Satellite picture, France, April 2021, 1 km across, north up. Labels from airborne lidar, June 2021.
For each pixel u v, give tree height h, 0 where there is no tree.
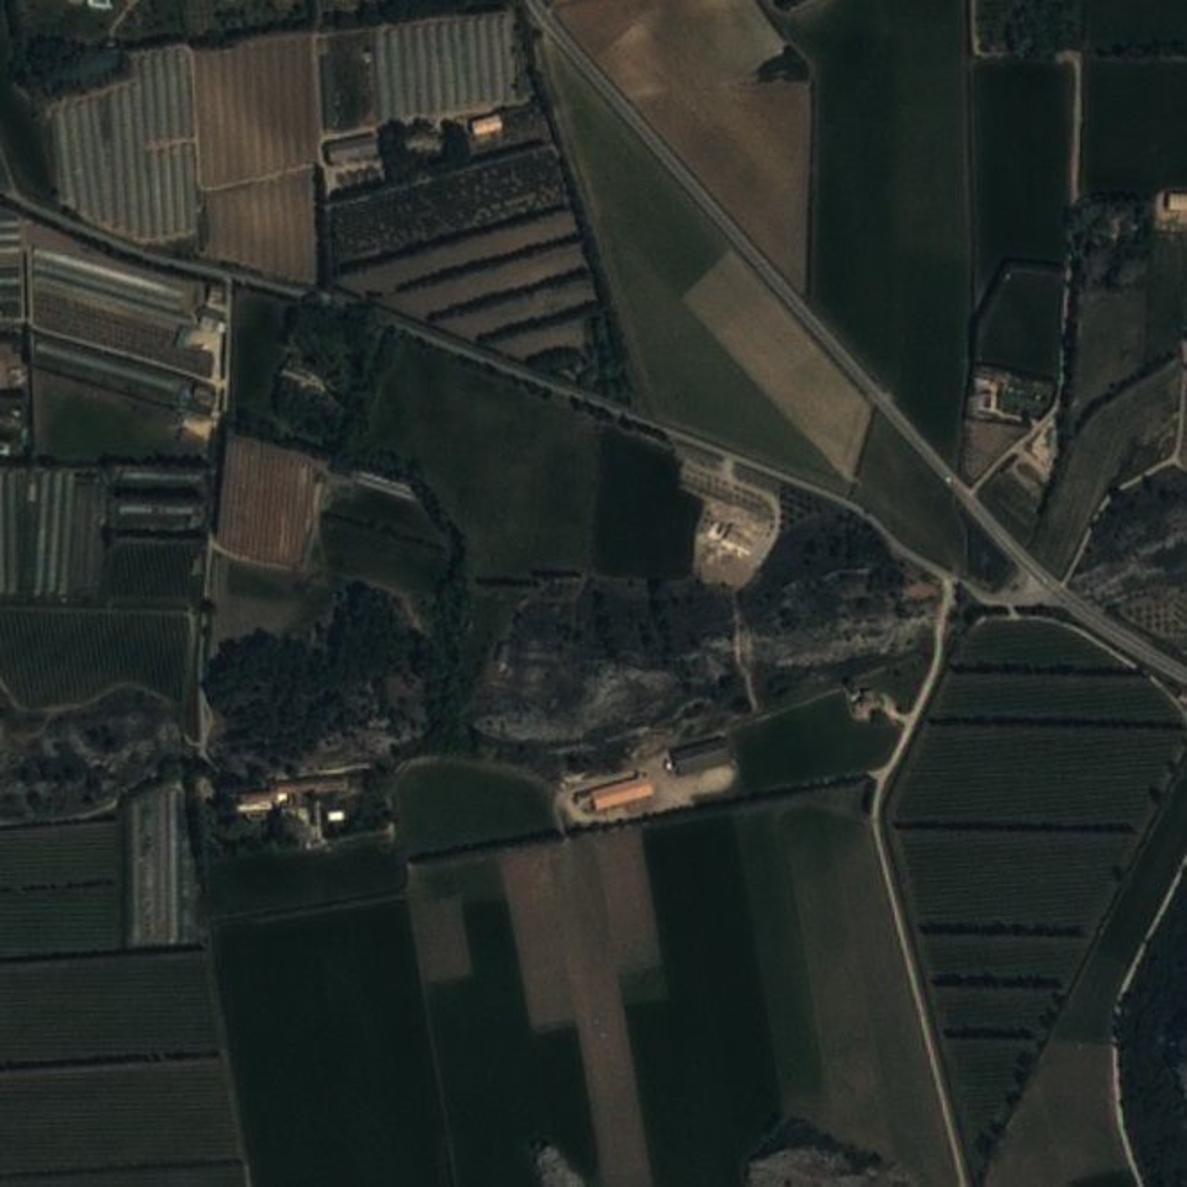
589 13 0
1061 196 0
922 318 0
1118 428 0
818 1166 0
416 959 0
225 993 0
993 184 0
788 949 0
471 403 0
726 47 0
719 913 0
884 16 0
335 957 0
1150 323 0
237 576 0
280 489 0
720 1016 0
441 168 12
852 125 0
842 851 0
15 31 11
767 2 0
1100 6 0
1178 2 0
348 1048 0
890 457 0
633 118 0
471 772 0
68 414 0
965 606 13
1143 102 0
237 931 0
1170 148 0
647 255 0
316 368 20
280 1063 0
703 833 0
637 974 0
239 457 0
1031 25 12
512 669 0
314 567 0
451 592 15
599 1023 0
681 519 0
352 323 16
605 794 0
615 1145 0
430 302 0
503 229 12
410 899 0
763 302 0
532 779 0
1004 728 14
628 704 0
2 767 0
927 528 0
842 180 0
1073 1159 0
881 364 0
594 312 13
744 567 0
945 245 0
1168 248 0
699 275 0
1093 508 0
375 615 20
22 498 0
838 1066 0
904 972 0
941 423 0
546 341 0
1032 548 0
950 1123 0
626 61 0
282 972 0
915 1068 0
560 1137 0
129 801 7
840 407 0
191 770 17
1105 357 0
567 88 0
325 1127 0
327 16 6
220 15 6
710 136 0
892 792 0
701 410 0
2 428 7
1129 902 0
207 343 0
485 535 0
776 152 0
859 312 0
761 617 0
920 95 0
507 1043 0
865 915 0
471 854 12
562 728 0
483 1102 0
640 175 0
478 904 0
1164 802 20
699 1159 0
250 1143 0
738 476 0
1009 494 0
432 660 17
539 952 0
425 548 8
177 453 0
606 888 0
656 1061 0
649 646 10
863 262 0
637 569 0
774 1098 0
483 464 0
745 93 0
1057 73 0
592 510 0
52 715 0
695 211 0
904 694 0
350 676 12
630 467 0
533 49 7
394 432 0
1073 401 5
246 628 0
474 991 0
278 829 12
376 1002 0
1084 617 0
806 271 0
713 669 0
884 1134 0
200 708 0
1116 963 0
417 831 0
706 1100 0
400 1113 0
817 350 0
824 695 0
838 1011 0
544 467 0
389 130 10
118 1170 10
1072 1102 0
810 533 0
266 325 0
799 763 0
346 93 0
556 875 0
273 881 0
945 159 0
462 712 16
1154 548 0
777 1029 0
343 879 0
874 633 0
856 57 0
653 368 0
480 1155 0
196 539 14
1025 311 0
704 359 0
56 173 0
